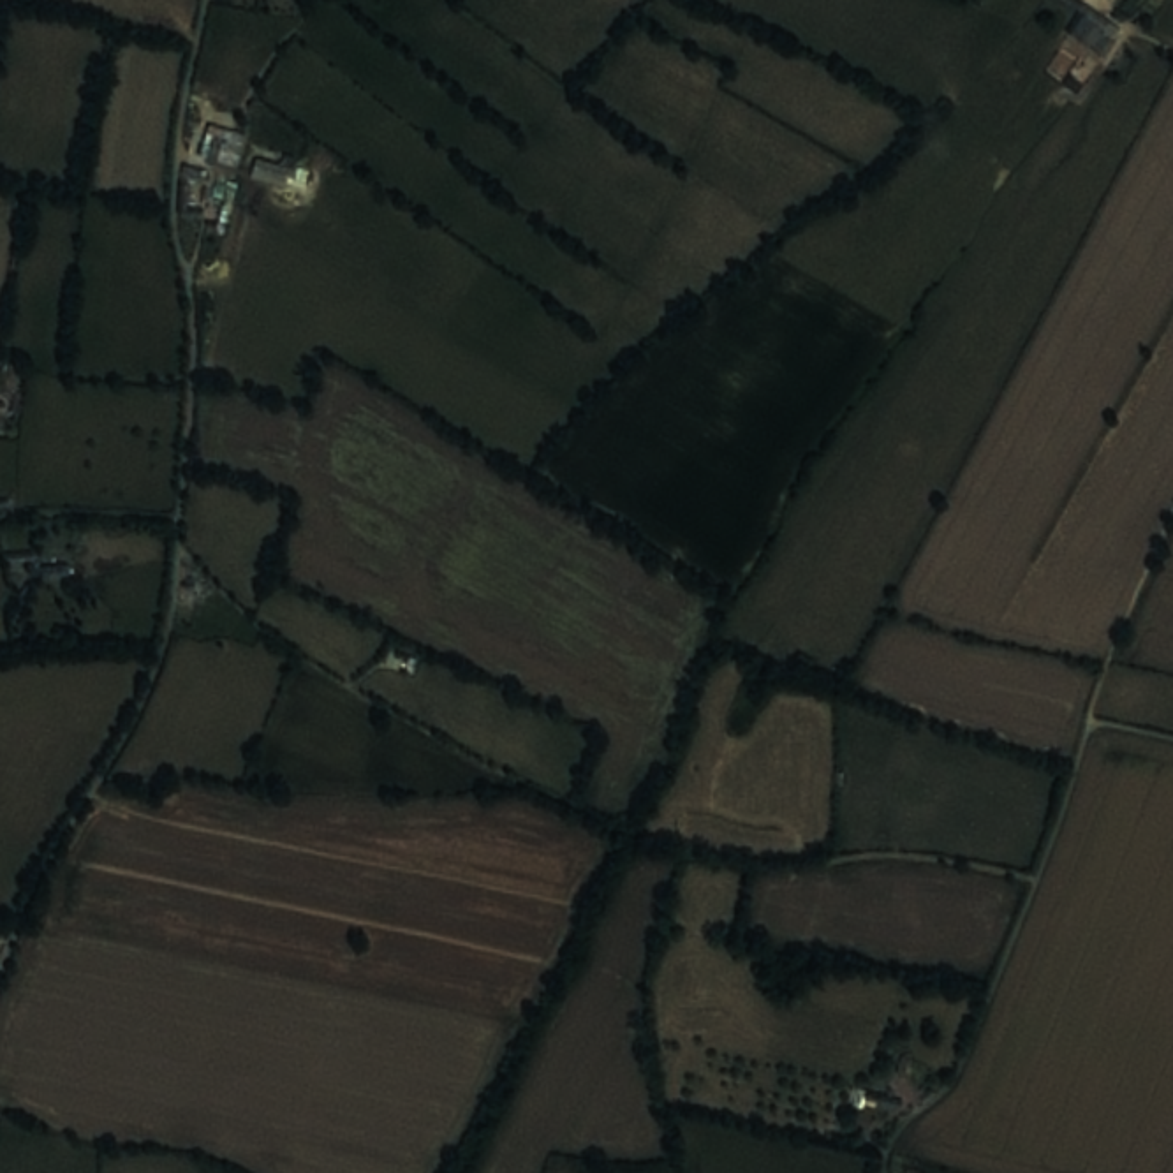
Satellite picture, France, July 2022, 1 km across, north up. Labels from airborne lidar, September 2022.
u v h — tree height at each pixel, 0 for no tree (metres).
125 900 0
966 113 0
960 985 28
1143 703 0
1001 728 0
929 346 0
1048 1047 0
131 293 0
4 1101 0
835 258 0
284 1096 0
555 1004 7
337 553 0
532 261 0
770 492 0
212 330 0
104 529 7
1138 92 0
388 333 0
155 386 17
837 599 0
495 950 0
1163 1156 0
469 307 0
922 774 0
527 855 0
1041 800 0
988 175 0
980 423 0
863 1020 0
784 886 0
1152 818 0
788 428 0
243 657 0
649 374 0
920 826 0
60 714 0
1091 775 0
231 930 0
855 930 0
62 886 0
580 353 0
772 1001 18
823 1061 0
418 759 0
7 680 0
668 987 0
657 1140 0
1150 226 0
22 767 0
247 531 0
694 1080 7
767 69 0
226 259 0
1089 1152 0
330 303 0
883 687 0
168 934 0
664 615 0
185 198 0
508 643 0
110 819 0
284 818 0
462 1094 0
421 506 0
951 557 0
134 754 0
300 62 0
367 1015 0
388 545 0
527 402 0
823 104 0
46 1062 0
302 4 27
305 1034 0
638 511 0
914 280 0
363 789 0
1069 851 0
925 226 0
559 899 0
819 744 0
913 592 0
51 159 0
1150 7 0
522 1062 19
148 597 0
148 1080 0
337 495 0
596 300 0
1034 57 0
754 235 0
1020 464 0
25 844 0
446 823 0
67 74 0
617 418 0
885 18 0
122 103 0
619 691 0
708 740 0
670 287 0
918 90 0
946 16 0
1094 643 0
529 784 6
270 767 0
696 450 0
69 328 19
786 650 0
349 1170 0
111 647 15
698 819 0
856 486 0
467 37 0
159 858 0
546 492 18
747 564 0
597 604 0
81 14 20
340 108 0
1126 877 0
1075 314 0
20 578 0
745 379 0
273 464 0
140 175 0
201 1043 0
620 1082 0
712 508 0
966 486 0
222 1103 0
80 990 0
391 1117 0
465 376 0
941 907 0
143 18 0
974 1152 0
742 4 0
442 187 0
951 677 0
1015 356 0
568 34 0
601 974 0
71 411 0
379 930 0
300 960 0
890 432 0
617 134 16
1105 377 0
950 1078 13
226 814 0
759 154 0
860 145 0
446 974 0
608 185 0
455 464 0
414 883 0
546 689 0
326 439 0
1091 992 0
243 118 13
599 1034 0
